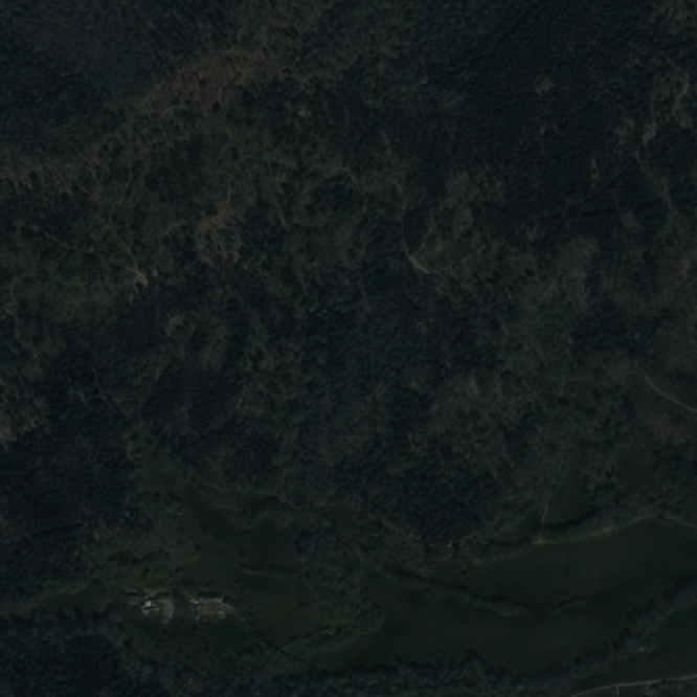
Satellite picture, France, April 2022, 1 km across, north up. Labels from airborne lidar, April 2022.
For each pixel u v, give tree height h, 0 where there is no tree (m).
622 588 0
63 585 16
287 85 18
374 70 23
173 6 18
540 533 17
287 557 0
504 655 0
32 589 11
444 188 15
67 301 27
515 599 0
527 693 20
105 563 19
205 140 18
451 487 41
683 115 18
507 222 25
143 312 17
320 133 18
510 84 19
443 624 0
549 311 21
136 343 17
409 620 0
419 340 19
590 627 0
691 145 25
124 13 10
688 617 0
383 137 16
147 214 17
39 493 23
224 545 12
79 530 26
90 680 24
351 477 42
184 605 23
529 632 0
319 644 9
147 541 24
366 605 17
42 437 19
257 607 0
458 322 23
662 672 0
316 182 17
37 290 22
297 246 9
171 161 22
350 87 23
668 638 0
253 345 14
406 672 22
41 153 21
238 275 16
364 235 23
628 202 33
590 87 25
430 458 11
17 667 11
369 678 19
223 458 28
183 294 22
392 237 14
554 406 30
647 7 30
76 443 20
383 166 20
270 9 17
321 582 20
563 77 22
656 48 21
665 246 28
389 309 18
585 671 25
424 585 18
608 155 25
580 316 25
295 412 28
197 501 0
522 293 26
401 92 28
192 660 8
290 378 26
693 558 0
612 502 19
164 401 24
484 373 25
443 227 21
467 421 36
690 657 0
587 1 20
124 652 13
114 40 16
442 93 26
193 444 27
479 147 20
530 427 31
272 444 33
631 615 0
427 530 35
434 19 22
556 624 0
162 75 19
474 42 25
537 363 27
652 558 0
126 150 12
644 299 23
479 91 27
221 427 14
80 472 26
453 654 0
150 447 17
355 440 18
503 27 25
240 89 14
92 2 14
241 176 24
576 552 0
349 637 18
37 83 17
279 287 22
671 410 0
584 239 23
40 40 23
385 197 11
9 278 18
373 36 29
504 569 0
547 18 19
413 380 27
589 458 22
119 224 18
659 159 24
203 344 16
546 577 0
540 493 22
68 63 23
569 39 19
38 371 15
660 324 25
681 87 20
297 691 21
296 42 24
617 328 41
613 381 19
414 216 18
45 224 15
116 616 20
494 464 15
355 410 18
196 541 0
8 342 19
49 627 36
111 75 19
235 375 24
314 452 23
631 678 0
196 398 22
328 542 30
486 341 22
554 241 20
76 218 20
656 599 0
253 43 19
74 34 14
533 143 15
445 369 22
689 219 28
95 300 17
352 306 24
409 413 36
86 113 21
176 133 14
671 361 0
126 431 23
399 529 16
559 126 18
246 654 10
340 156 14
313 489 28
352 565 11
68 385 34
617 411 18
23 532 25
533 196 28
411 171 17
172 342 16
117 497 26
